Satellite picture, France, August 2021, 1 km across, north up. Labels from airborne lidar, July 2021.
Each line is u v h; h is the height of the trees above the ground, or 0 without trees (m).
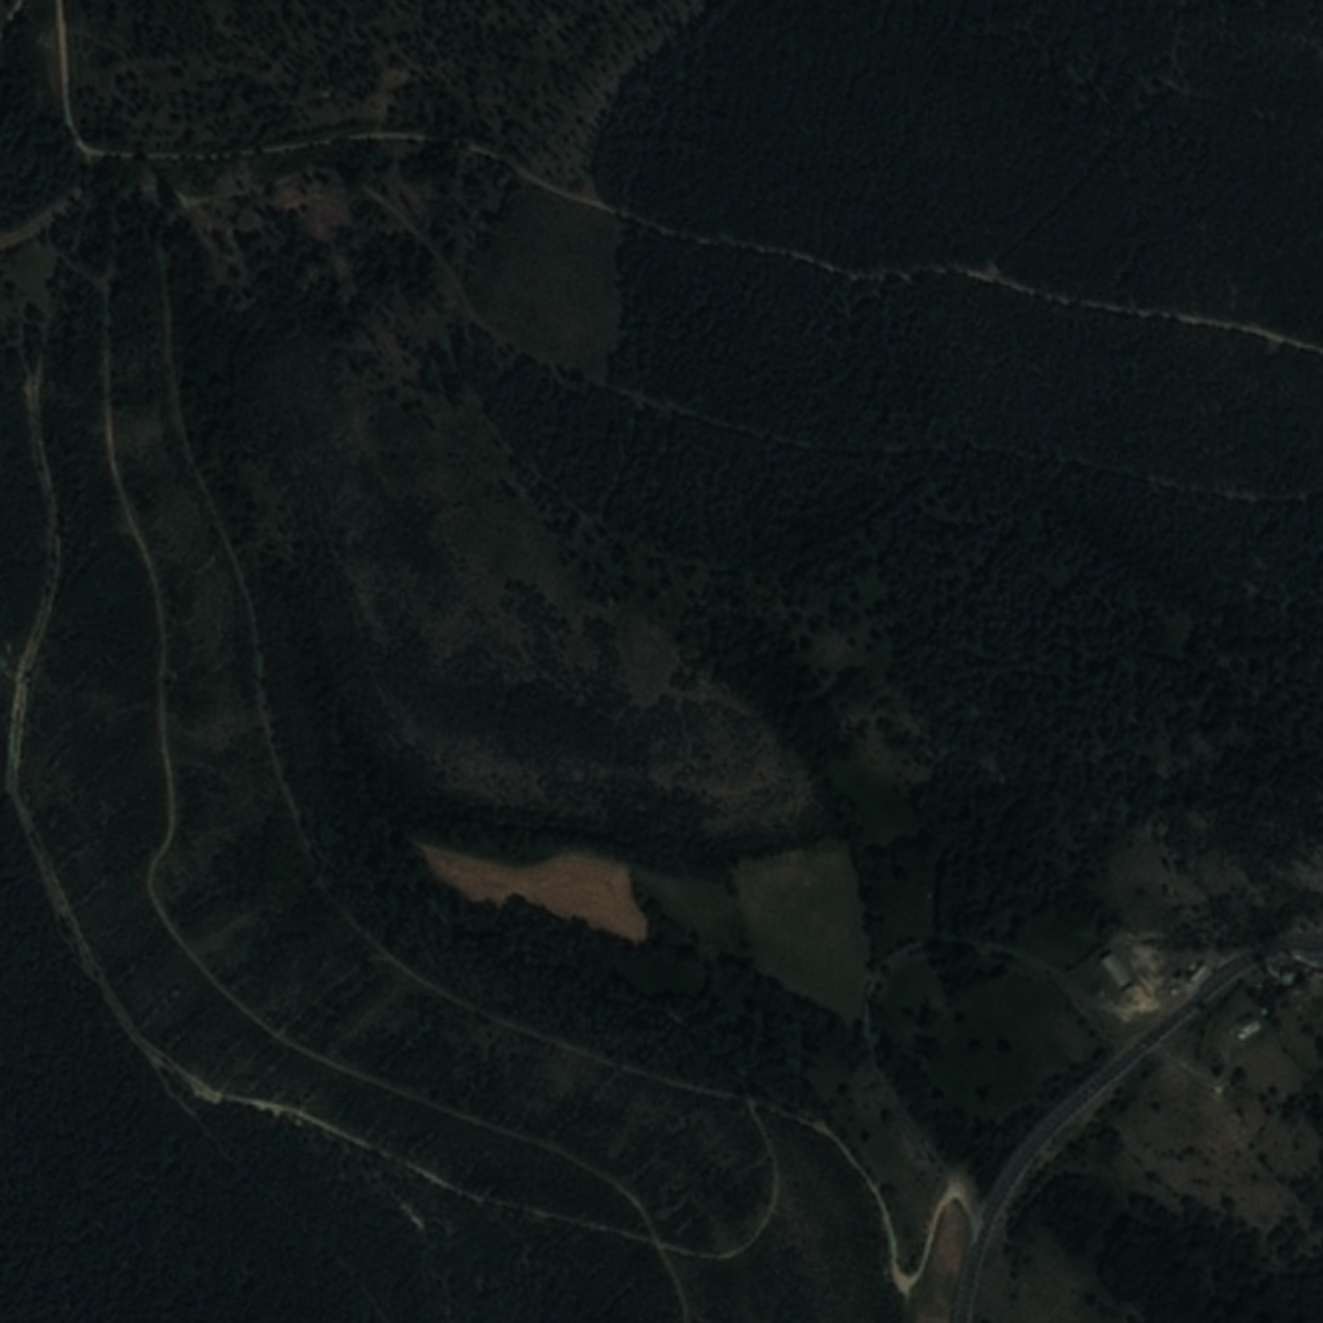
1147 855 0
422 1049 8
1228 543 14
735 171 10
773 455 7
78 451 7
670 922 10
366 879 23
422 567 6
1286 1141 0
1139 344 11
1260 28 10
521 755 7
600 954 18
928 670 16
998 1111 0
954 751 11
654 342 12
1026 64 12
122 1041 14
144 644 6
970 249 9
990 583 23
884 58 12
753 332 8
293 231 12
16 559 15
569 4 13
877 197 9
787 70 10
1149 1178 8
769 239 10
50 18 0
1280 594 13
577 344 0
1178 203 11
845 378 11
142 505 6
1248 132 11
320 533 12
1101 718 12
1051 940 0
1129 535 14
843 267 9
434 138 8
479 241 7
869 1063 9
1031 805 15
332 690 11
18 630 11
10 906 15
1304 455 8
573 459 18
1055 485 12
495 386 11
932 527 14
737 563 8
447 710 8
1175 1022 0
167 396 9
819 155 10
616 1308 7
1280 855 8
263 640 8
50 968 13
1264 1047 0
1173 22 6
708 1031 18
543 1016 16
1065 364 9
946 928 16
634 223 10
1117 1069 0
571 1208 7
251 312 6
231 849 8
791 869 0
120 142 11
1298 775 11
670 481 14
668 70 14
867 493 14
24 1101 19
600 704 6
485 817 17
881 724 9
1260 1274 9
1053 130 11
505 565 0
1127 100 16
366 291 10
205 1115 8
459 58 15
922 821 17
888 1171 0
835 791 17
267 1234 13
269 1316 14
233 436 12
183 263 9
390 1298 11
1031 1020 0
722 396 8
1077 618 18
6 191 19
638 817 14
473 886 0
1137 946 0
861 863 17
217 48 13
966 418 11
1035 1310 0
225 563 7
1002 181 10
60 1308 18
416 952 16
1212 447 8
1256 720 12
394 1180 12
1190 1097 0
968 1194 0
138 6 11
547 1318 11
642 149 12
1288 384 7
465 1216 8
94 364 8
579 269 0
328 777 10
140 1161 17
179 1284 18
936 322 7
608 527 7
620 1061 16
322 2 12
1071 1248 11
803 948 0
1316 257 9
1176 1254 18
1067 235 15
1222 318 6
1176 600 23
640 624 0
